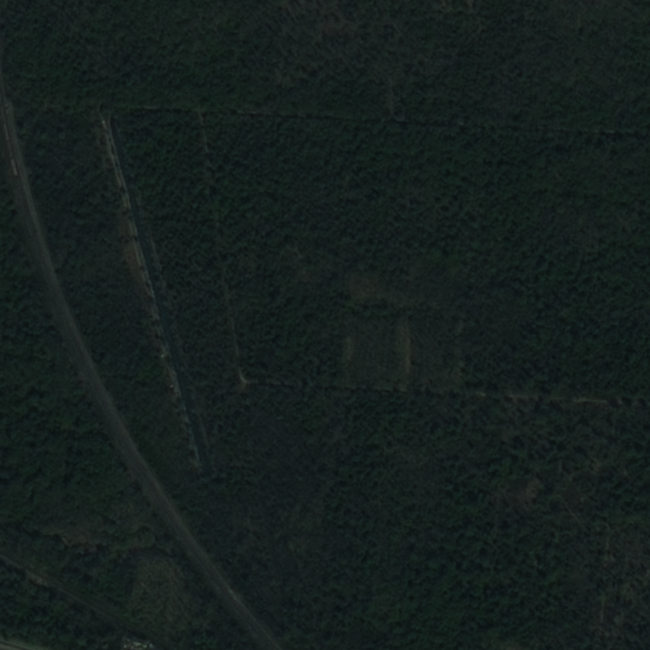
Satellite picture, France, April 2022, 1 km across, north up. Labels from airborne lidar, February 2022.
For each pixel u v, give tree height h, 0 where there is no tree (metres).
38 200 16
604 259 19
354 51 16
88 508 19
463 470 8
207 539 12
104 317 15
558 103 19
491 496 11
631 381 12
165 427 18
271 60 19
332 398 16
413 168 18
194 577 18
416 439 13
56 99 18
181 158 9
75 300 15
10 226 12
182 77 9
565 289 15
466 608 25
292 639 17
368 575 16
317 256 9
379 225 12
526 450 25
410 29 15
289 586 17
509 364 23
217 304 20
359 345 12
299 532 15
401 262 15
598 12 20
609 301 19
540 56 16
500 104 20
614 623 17
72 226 17
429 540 19
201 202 17
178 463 17
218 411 12
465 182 17
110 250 14
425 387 11
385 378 13
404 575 19
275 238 13
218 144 10
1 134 0
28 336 21
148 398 15
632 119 19
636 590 17
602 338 22
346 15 12
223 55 16
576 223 14
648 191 21
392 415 13
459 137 20
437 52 13
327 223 17
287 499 21
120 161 0
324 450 14
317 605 19
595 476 0
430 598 21
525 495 0
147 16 20
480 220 17
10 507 24
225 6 18
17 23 12
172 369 11
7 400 18
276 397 16
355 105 15
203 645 14
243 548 23
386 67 17
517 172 20
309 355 11
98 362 15
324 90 16
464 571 20
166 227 12
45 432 21
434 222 15
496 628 19
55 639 15
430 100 9
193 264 16
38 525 19
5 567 19
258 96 13
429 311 17
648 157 16
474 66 7
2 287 22
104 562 23
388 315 10
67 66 14
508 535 19
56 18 13
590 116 18
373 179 14
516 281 13
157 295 0
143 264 0
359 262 12
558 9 17
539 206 14
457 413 18
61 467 23
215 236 18
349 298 19
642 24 11
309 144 13
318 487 15
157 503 0
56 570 10
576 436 19
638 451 20
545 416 27
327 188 14
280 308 7
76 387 20
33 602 9
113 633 13
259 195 14
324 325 13
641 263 11
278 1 11
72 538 10
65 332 0
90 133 11
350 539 14
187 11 18
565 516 16
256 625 0
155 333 0
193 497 17
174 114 20
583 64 16
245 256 18
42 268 0
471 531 22
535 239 15
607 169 20
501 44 8
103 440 17
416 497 19
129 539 21
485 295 21
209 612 18
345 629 9
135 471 0
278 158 13
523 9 8
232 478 17
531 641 14
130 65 18
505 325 21
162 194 8
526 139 16
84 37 17
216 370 13
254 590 20
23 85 14
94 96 19
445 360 13
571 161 17
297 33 16
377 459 10
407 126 12
